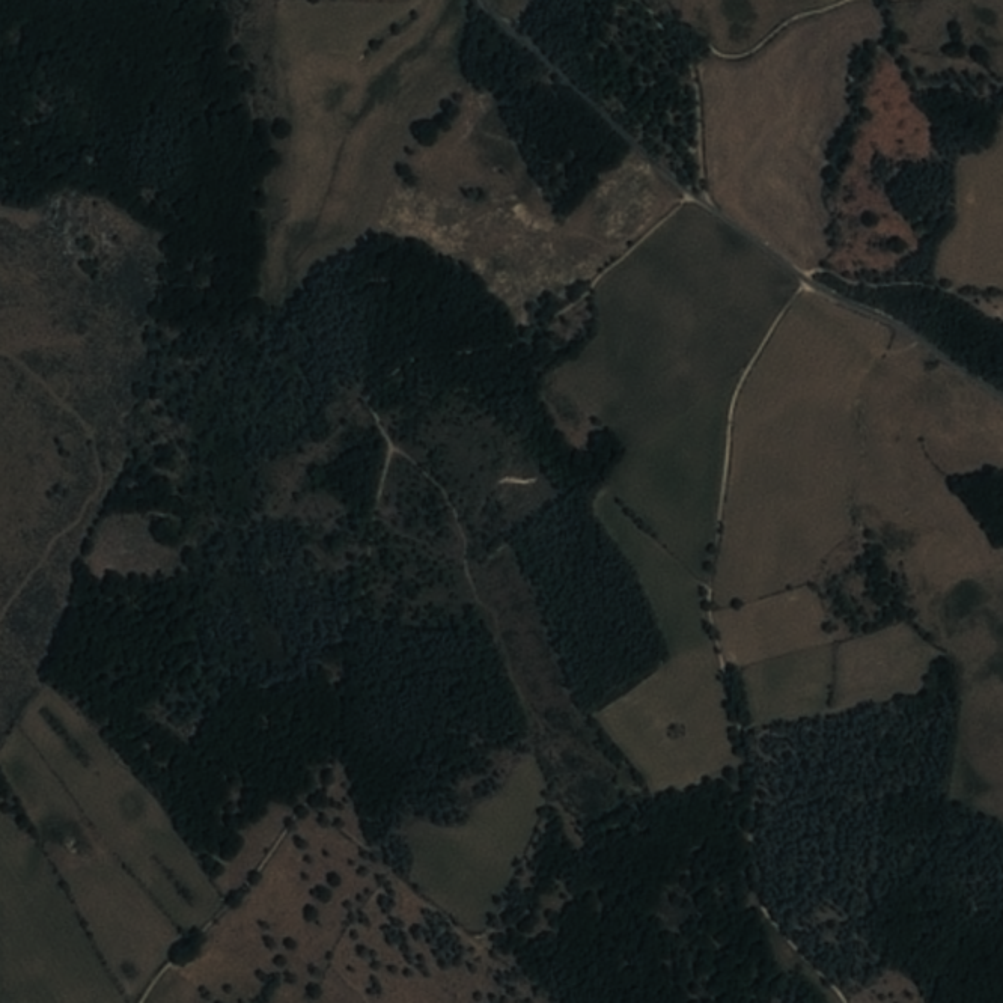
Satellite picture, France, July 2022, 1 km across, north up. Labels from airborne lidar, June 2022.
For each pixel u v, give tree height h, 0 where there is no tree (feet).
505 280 0
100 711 37
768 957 68
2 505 0
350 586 42
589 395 0
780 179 0
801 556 0
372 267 60
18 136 35
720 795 49
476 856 0
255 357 28
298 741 56
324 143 0
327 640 62
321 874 0
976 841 73
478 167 0
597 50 26
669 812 62
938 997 64
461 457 0
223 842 50
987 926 53
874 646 0
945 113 59
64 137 45
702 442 0
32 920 0
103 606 38
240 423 52
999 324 32
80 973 0
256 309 43
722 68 0
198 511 25
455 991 0
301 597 45
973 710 0
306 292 31
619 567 67
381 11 0
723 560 0
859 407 0
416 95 0
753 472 0
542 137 36
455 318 36
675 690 0
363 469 37
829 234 37
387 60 0
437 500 34
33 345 0
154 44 63
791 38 0
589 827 29
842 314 0
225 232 72
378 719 62
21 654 0
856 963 65
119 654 54
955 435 0
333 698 60
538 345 50
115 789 0
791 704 0
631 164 0
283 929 0
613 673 56
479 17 40
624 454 52
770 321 0
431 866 0
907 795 51
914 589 0
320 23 0
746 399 0
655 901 59
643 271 0
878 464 0
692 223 0
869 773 40
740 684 34
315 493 29
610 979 57
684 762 0
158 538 74
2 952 0
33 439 0
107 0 59
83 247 28
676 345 0
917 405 0
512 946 47
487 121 0
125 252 0
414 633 49
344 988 0
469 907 0
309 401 42
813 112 0
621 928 55
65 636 66
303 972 0
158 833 0
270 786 53
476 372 31
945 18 0
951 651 0
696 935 48
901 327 0
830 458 0
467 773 61
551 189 28
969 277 0
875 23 0
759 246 0
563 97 32
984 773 0
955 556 0
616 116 25
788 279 0
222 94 54
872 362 0
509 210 0
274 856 0
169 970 0
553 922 35
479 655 55
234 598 23
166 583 49
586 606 65
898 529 0
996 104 52
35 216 0
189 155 58
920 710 55
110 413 0
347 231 0
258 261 42
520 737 39
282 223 0
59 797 0
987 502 69
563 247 0
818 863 58
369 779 56
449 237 0
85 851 0
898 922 60
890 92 0
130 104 59
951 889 62
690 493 0
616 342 0
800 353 0
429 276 45
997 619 0
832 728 46
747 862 44
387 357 28
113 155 62
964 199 0
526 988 0
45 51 25
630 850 63
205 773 43
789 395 0
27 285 0
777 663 0
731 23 0
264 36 0
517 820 0
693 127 58
